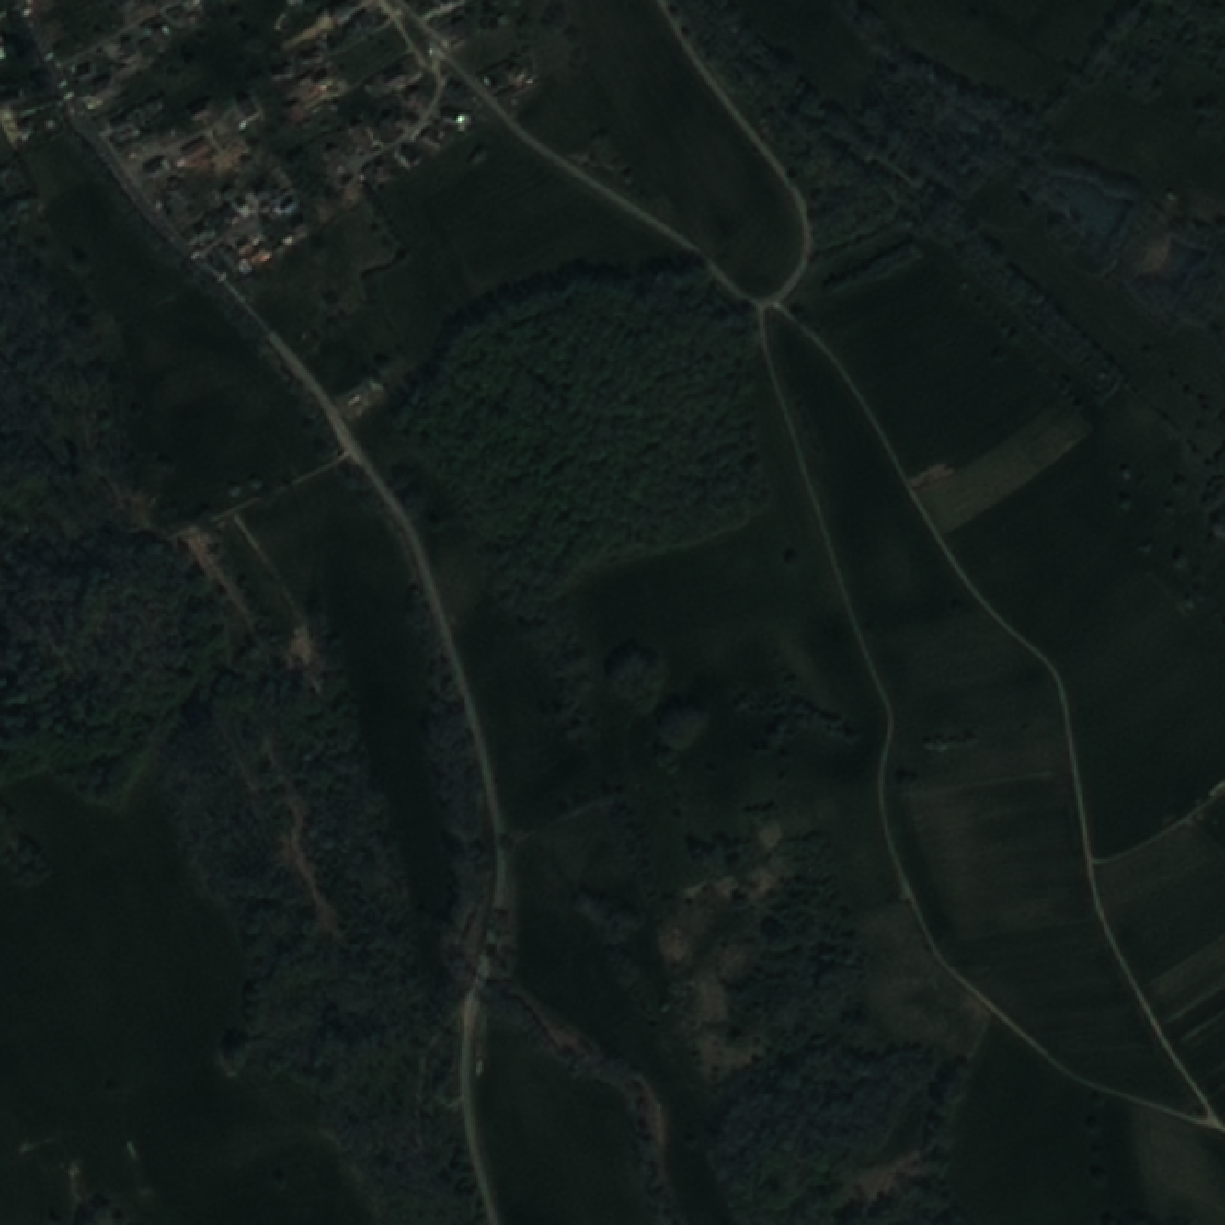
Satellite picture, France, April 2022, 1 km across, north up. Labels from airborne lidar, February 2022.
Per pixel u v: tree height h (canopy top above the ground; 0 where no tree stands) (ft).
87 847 0
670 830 0
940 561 0
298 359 0
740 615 0
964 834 0
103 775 52
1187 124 0
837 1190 74
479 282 0
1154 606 0
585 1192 0
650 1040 0
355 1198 0
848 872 0
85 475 83
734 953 0
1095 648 0
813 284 0
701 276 75
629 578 0
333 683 65
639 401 90
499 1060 0
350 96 0
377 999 100
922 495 0
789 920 21
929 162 81
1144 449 0
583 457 81
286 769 50
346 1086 72
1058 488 0
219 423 0
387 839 64
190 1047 0
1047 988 0
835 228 47
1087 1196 0
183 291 0
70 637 87
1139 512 0
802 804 0
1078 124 0
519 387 80
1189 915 0
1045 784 0
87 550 49
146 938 0
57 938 0
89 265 45
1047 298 53
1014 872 0
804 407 40
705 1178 0
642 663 58
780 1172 76
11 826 68
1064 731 0
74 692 42
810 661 0
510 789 0
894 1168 0
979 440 0
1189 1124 0
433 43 0
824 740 0
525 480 80
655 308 78
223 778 77
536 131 0
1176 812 0
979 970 0
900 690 0
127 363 0
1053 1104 0
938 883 0
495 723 0
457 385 79
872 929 0
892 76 73
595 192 0
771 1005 21
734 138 0
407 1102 95
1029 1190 0
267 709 44
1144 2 25
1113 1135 0
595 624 0
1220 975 0
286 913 76
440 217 0
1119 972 0
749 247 0
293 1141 0
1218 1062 0
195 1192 0
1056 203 50
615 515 84
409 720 0
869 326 0
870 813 0
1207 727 0
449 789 81
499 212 0
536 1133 0
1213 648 0
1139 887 0
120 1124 0
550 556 80
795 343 0
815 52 0
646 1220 0
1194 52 31
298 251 0
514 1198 0
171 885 0
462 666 0
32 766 63
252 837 70
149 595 87
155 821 0
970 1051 0
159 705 87
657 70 0
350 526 0
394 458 0
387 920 72
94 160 48
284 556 0
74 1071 0
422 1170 100
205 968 0
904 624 0
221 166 0
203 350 0
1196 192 0
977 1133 0
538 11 0
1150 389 0
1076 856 0
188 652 63
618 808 38
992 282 39
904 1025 0
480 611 0
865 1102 108
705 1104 0
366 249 0
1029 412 0
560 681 31
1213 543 28
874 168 20
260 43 33
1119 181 34
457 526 0
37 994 0
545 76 0
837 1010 21
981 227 57
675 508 93
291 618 0
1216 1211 0
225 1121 0
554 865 0
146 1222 0
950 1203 42
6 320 105
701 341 90
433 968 0
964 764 0
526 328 93
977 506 0
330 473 0
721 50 34
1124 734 0
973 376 0
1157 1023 0
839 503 0
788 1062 19
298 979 62
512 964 38
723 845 47
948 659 0
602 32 0
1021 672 0
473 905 77
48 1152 0
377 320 0
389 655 0
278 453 0
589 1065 25
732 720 0
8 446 79
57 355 99
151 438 0
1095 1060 0
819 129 50
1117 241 42
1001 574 0
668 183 0
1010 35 0
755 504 57
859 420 0
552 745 0
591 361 94
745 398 64
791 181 27
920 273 0
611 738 0
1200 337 0
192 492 0
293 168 28
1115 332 0
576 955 0
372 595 0
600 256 0
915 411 0
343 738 53
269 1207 0
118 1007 0
